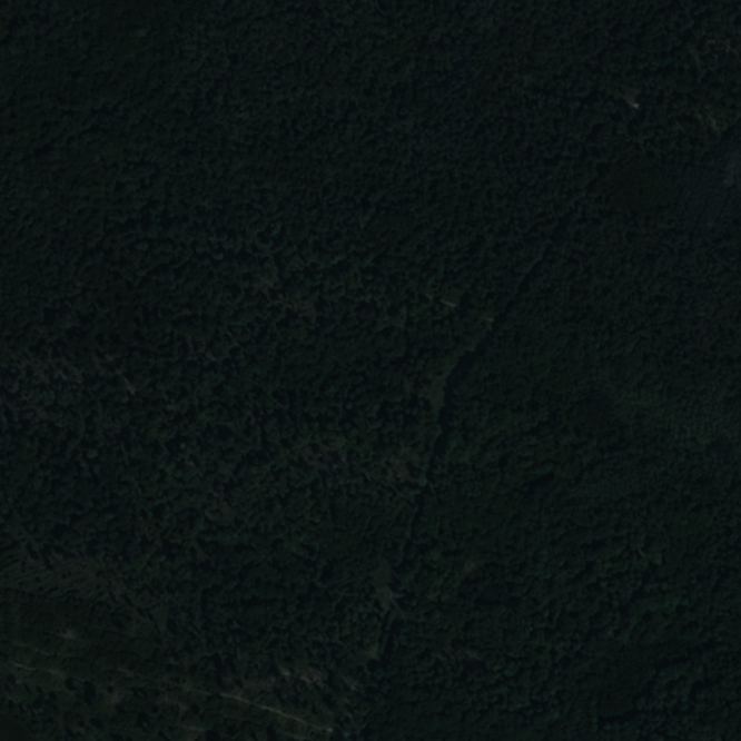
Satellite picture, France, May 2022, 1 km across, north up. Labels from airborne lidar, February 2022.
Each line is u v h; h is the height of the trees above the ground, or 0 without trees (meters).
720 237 14
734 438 22
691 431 22
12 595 5
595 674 30
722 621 29
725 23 29
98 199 31
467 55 31
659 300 15
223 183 15
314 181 20
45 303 27
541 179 28
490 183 23
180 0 24
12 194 27
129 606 30
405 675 26
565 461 22
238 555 29
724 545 17
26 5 29
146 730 31
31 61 27
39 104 29
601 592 32
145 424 32
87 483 30
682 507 30
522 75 27
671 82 28
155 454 28
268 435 36
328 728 0
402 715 26
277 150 25
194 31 26
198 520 32
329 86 29
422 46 29
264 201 23
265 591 30
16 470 30
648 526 30
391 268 27
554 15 26
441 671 24
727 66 28
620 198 12
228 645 33
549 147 28
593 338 22
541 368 30
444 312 19
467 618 25
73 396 34
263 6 29
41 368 0
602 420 8
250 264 35
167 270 30
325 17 30
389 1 33
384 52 31
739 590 31
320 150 26
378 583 0
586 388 7
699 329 28
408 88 27
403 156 29
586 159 30
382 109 26
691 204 19
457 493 25
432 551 30
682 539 30
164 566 34
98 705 31
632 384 17
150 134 25
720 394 19
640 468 16
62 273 29
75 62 25
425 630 31
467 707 20
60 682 0
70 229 28
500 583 6
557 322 22
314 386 19
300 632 31
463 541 27
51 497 27
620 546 27
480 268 20
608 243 29
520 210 27
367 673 18
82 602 11
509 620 28
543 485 28
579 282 28
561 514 19
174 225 34
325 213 24
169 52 19
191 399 31
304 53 26
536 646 8
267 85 31
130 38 26
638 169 13
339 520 28
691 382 25
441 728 24
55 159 30
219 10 25
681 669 27
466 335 20
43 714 26
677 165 18
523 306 19
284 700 33
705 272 30
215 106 28
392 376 26
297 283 31
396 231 26
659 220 15
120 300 27
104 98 28
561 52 24
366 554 24
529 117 29
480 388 27
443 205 28
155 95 25
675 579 32
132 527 31
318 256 30
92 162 30
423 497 21
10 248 25
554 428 31
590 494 12
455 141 29
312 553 28
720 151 16
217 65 27
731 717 24
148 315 31
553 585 30
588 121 28
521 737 25
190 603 35
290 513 30
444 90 30
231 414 34
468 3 28
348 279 32
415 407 30
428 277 22
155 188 25
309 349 31
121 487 34
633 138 30
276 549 28
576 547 29
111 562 33
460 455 32
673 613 28
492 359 27
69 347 32
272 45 32
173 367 32
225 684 31
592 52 23
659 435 20
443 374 26
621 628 32
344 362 25
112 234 34
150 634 0
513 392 29
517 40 28
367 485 31
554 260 28
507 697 31
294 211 24
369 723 21
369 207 28
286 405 30
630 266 33
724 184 18
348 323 27
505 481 27
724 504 14
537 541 27
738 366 21
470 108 14
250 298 30
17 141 28
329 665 27
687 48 25
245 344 31
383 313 27
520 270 20
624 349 24
